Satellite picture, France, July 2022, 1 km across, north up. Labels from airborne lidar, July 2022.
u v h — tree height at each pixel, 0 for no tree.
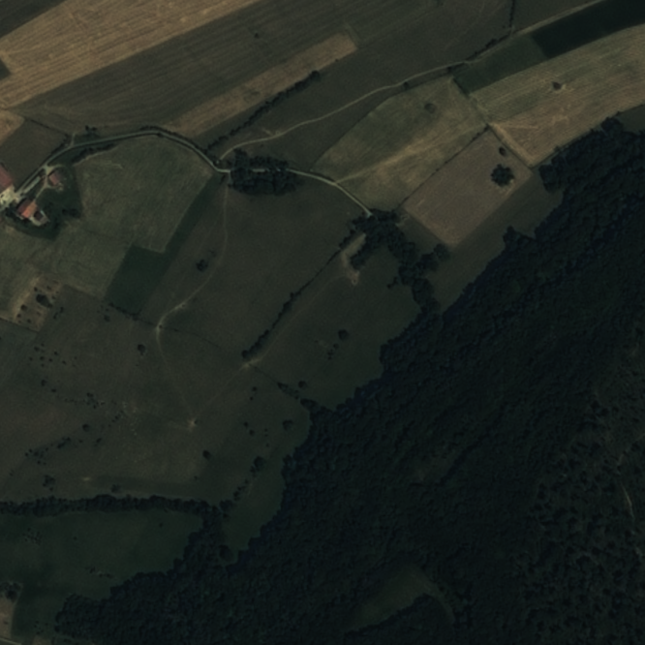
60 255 0
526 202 0
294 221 0
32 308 0
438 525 16
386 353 18
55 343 0
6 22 0
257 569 27
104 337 0
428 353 30
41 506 14
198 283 0
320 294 0
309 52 0
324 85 0
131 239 0
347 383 0
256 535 0
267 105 7
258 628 14
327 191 0
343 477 24
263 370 0
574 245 23
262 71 0
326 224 0
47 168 0
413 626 20
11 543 0
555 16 0
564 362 14
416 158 0
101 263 0
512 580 24
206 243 0
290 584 16
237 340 0
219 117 0
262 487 0
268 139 0
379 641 23
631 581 17
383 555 7
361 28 0
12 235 0
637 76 0
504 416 17
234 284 0
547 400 10
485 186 0
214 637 26
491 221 0
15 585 6
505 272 24
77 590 0
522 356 15
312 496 25
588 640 6
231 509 17
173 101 0
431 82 0
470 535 24
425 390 34
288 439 0
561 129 0
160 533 0
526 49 0
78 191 0
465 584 13
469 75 0
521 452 17
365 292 0
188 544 0
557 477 18
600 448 22
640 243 17
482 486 19
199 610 29
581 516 21
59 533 0
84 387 0
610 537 21
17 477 0
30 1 0
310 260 0
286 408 0
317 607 18
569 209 21
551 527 25
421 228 0
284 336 0
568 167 27
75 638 14
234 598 22
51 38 0
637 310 18
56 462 0
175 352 0
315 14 0
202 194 0
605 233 9
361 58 0
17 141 0
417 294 17
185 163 0
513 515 26
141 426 0
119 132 0
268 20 0
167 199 0
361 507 8
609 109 0
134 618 22
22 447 0
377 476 19
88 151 9
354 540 19
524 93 0
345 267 0
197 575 9
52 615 0
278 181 16
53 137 0
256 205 0
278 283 0
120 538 0
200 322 0
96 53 0
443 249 16
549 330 15
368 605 22
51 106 0
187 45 0
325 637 23
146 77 0
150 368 0
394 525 8
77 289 0
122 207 0
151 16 0
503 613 20
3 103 0
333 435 24
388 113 0
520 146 0
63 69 0
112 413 0
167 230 0
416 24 0
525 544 28
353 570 15
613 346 19
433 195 0
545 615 20
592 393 22
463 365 22
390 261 0
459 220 0
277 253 0
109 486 0
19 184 0
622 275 15
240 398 0
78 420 0
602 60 0
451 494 14
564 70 0
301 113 0
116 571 0
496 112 0
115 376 0
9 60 0
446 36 0
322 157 0
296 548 23
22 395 0
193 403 0
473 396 18
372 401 29
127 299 0
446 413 11
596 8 0
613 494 26
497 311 23
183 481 0
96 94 0
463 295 0
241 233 0
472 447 8
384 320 0
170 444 0
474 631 20
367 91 0
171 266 0
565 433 16
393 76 0
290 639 19
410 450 8
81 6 0
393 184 0
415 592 0
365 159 0
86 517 0
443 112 0
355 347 0
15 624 0
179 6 0
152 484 0
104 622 21
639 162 22
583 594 22
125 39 0
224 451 0
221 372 0
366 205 0
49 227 8
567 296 17
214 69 0
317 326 0
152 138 0
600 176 26
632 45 0
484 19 0
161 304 0
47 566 0
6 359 0
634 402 24
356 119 0
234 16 0
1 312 0
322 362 0
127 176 0
